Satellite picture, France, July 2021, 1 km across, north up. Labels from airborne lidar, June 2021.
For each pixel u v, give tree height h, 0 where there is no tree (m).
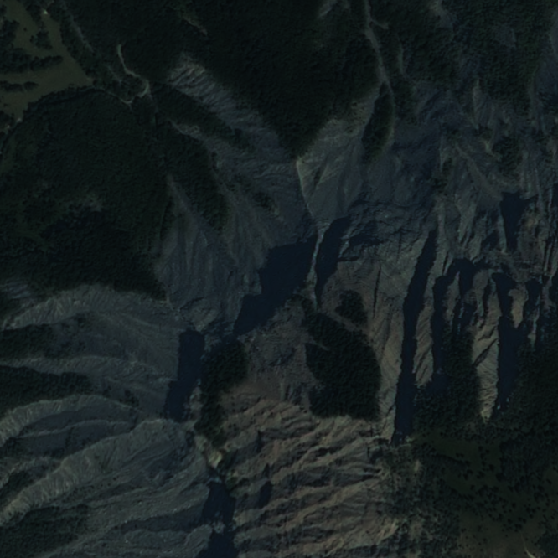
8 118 17
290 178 0
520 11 12
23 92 8
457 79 9
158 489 0
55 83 0
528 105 9
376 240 0
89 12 17
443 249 0
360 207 0
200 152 18
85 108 21
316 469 0
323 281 0
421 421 7
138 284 14
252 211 0
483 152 0
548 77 0
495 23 7
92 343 0
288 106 26
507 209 0
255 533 0
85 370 0
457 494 24
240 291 0
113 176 21
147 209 21
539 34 8
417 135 0
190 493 0
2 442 0
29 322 0
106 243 22
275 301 0
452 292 0
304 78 27
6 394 10
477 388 10
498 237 0
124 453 0
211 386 11
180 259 0
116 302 0
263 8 21
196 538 0
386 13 21
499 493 10
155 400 0
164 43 20
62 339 0
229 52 17
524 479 19
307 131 16
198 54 14
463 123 0
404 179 0
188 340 0
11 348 13
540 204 0
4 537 14
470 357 10
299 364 0
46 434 0
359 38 17
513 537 0
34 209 12
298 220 0
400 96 12
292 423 0
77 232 19
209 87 0
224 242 0
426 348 0
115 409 0
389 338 0
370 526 0
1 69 17
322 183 0
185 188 13
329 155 0
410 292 0
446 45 8
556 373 13
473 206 0
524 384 7
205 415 7
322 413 10
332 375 19
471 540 0
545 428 16
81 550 0
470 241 0
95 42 15
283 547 0
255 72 24
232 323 0
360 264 0
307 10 25
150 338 0
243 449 0
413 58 7
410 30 19
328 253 0
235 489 9
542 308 0
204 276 0
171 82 7
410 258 0
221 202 15
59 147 12
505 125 9
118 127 22
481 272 0
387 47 18
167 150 14
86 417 0
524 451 31
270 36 18
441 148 0
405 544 7
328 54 17
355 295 9
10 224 23
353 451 0
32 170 8
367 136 10
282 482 0
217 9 19
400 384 0
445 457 18
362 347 13
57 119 19
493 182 0
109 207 8
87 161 20
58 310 0
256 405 0
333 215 0
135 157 27
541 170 0
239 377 11
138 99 14
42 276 7
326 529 0
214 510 0
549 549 7
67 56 0
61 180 13
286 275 0
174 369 0
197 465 0
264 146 0
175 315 0
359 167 0
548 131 0
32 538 7
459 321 0
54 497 0
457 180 0
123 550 0
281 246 0
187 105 26
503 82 8
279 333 7
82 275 11
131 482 0
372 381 14
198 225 0
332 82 28
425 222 0
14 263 11
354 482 0
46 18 0
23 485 8
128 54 15
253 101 7
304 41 14
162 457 0
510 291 0
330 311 0
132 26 28
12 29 13
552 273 0
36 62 8
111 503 0
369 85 18
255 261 0
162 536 0
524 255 0
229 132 13
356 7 9
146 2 27
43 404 0
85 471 0
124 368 0
